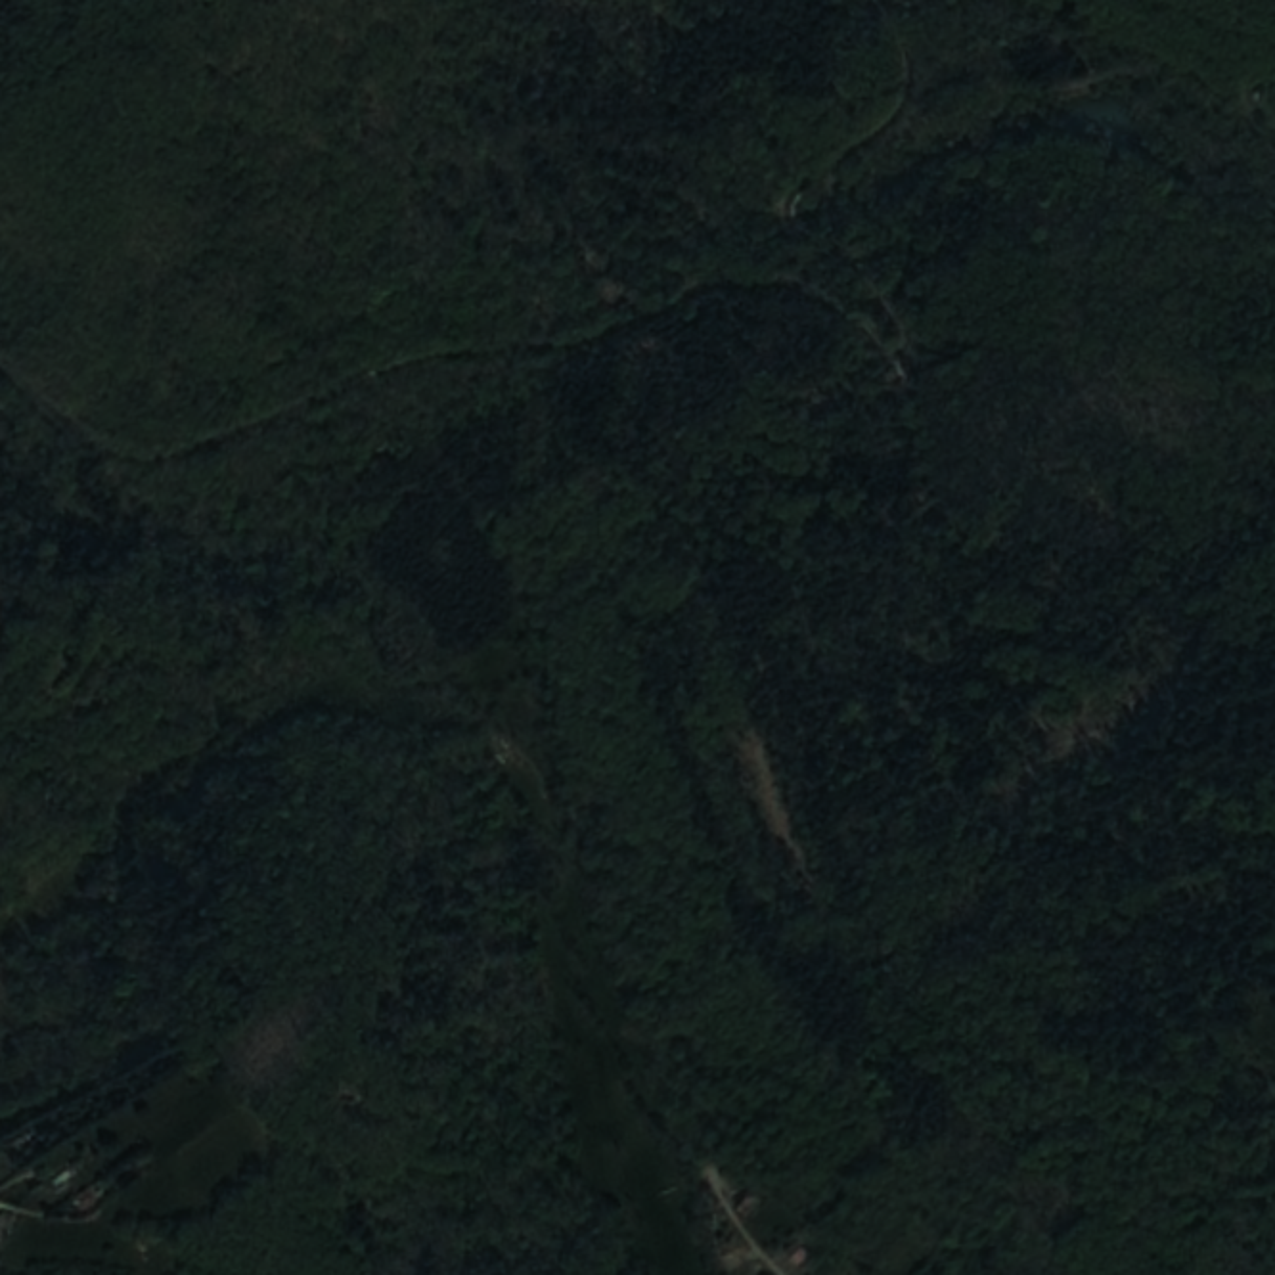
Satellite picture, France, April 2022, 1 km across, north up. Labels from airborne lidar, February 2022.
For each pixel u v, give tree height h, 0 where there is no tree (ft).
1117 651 84
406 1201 92
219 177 47
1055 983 79
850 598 92
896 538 94
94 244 57
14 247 42
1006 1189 68
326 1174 96
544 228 31
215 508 32
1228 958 90
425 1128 97
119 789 58
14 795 91
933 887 90
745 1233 0
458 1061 75
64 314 56
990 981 80
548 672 30
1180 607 87
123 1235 31
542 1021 68
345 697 32
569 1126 99
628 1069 47
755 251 83
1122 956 85
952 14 52
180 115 71
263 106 67
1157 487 81
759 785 82
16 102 61
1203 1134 88
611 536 68
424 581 78
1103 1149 80
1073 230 84
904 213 91
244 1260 83
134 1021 58
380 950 91
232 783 98
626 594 89
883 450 68
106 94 69
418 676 60
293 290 59
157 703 61
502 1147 44
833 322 58
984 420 70
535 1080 54
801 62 111
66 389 37
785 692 86
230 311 71
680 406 67
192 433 67
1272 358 99
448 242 88
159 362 63
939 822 95
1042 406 65
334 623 81
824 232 80
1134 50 76
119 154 75
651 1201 0
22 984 77
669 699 68
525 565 83
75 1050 69
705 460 76
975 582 77
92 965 37
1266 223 95
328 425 73
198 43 53
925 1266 30
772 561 87
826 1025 89
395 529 92
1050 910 81
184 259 47
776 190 54
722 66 97
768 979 82
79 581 94
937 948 77
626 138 81
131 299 51
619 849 99
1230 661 103
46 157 66
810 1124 91
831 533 94
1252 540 93
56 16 75
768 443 69
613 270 80
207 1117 0
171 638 83
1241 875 86
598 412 91
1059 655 101
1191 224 109
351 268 66
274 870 96
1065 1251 72
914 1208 61
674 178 32
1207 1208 71
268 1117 68
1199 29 97
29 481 56
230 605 85
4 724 53
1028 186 95
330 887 87
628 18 83
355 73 61
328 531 77
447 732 70
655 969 71
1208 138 96
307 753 87
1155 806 90
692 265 85
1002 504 91
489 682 0
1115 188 94
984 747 49
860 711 64
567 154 73
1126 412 65
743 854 67
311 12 26
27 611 38
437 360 81
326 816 84
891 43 83
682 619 78
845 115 85
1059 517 95
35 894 72
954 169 101
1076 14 69
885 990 80
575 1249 89
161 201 77
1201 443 75
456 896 90
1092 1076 60
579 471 76
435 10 63
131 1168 26
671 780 79
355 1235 75
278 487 31
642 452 70
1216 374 100
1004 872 78
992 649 89
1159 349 93
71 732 46
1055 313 86
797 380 94
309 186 39
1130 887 78
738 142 94
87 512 45
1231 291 101
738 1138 94
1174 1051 87
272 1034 72
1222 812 82
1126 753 77
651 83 78
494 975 73
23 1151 22
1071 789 84
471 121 52
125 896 105
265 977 82
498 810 112
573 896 0
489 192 74
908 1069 94
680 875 85
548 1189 118
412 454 75
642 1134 0
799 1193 44
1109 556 84
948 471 78
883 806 85
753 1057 51
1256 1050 46
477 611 88
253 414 73
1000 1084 78
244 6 48
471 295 81
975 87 69
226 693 50
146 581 94
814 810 87
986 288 105
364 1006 94
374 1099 84
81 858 60
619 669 95
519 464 85
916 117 73
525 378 54
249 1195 75
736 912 77
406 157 80
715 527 71
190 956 74
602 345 55
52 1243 0
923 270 87
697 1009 85
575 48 83
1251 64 90
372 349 72
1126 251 96
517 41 60
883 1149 29
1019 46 46
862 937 82
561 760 61
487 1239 63
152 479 54
